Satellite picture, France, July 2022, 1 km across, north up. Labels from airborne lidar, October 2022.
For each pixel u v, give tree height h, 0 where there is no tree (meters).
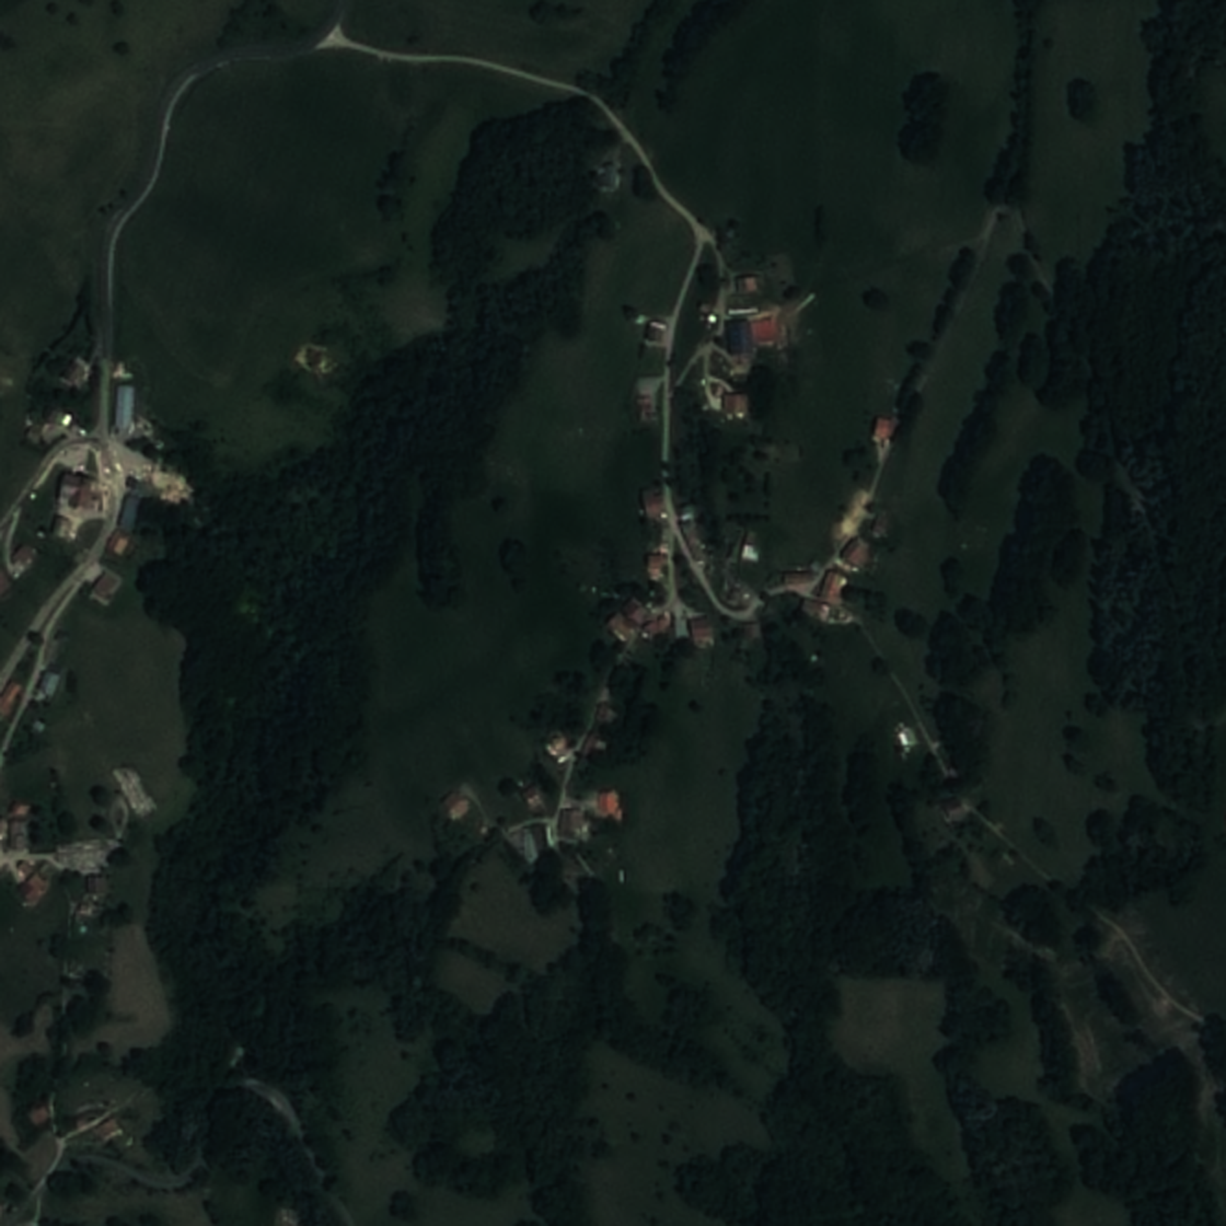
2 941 0
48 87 0
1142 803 12
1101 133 0
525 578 12
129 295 0
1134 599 31
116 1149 7
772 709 12
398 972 14
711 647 0
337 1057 7
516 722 7
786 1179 15
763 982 16
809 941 8
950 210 0
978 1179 11
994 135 0
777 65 0
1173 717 24
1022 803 0
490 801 0
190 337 0
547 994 17
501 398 25
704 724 0
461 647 0
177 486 0
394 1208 11
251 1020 28
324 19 0
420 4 0
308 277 0
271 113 0
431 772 0
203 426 8
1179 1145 26
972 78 0
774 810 21
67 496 0
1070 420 0
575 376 0
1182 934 0
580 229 12
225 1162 23
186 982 7
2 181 0
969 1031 27
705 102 0
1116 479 12
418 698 0
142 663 0
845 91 0
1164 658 25
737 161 0
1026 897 22
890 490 0
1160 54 11
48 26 0
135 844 0
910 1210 21
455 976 0
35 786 0
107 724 0
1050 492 25
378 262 0
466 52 0
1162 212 29
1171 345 7
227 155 0
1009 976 11
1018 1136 21
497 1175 8
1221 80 0
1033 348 20
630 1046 25
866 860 19
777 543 0
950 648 20
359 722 15
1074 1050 26
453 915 18
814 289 0
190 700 21
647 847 0
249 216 0
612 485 0
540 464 0
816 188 0
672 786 0
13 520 0
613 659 16
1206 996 0
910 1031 0
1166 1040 0
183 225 0
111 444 0
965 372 0
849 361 0
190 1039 15
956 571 17
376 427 22
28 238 0
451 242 26
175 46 0
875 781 21
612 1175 0
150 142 0
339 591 25
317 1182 23
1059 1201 12
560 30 0
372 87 0
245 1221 0
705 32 24
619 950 17
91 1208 0
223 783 16
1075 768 14
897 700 0
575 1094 18
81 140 0
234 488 8
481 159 24
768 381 12
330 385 6
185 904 24
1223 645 19
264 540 25
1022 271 24
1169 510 26
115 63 0
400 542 29
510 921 0
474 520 0
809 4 0
